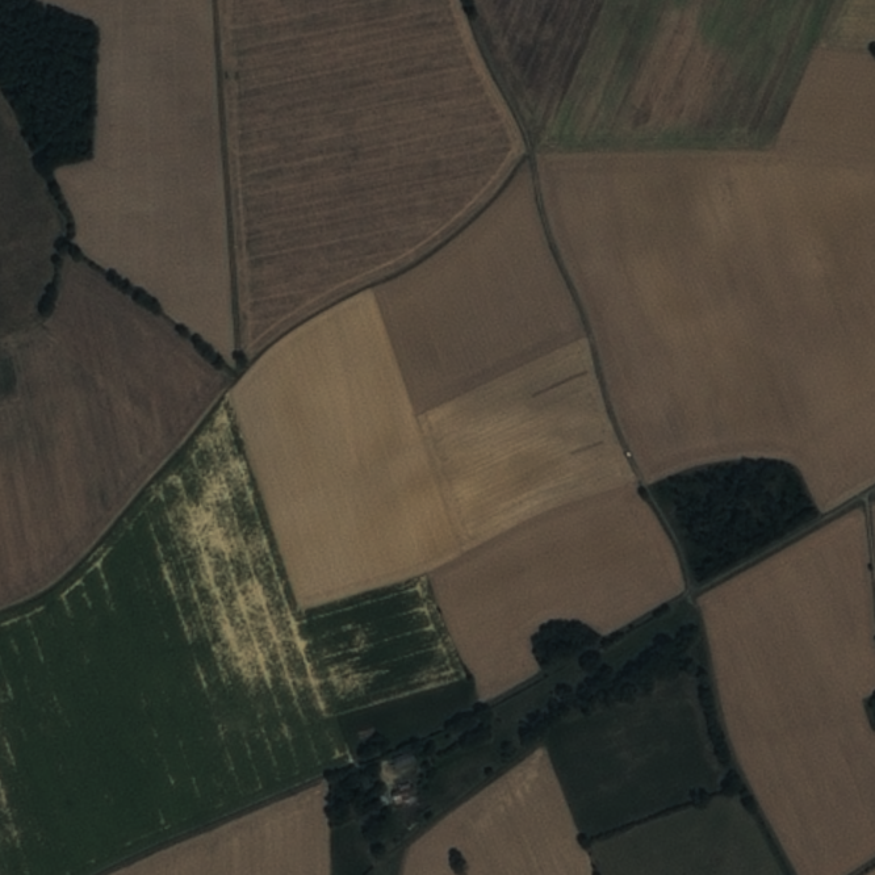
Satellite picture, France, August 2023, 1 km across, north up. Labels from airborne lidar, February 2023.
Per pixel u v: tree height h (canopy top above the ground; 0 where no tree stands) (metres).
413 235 0
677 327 0
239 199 0
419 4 0
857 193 0
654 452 0
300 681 0
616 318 0
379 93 0
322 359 0
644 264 0
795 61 0
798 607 0
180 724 0
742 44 0
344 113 0
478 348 0
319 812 0
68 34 20
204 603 0
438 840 0
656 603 0
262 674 0
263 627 0
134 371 0
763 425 0
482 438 0
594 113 0
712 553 13
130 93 0
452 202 0
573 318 0
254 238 0
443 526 0
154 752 0
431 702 0
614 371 0
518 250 0
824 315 0
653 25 0
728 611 0
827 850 0
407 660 0
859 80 0
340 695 0
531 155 0
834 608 0
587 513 0
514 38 0
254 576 0
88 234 0
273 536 0
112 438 0
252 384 0
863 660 0
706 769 0
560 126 0
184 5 0
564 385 0
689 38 0
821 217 0
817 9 0
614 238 0
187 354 0
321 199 0
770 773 0
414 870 0
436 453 0
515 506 0
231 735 0
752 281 0
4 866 0
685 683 0
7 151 0
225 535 0
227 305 0
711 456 0
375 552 0
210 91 0
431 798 0
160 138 0
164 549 0
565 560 0
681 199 0
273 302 0
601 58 0
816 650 0
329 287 0
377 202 0
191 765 0
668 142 0
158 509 0
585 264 0
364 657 0
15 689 0
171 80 0
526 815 0
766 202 0
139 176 0
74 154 16
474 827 0
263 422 0
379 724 0
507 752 10
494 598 0
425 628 0
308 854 0
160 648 0
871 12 0
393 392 0
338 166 0
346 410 0
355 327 0
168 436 0
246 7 0
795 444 0
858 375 0
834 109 0
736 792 13
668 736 0
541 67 0
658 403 0
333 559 0
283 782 0
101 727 0
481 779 0
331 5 0
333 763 0
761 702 0
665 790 0
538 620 0
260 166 0
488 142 0
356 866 0
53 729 0
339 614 0
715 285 0
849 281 0
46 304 14
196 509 0
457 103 0
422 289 0
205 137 0
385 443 0
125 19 0
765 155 0
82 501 0
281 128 0
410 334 0
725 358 0
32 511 0
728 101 0
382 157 0
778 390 0
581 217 0
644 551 0
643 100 0
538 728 18
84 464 0
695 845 0
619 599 0
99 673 0
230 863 0
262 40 0
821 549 0
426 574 0
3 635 0
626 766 0
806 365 0
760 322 0
